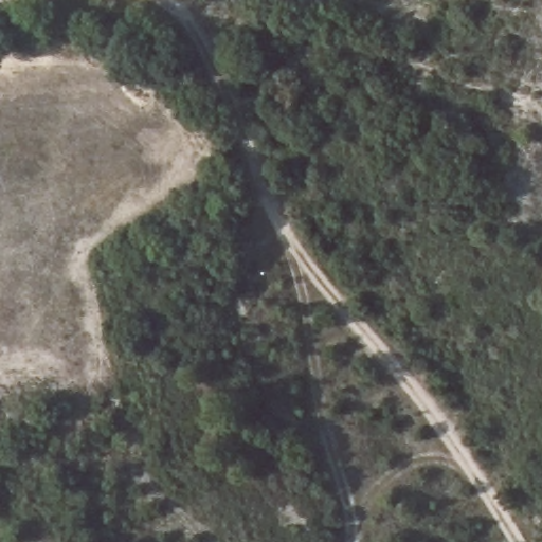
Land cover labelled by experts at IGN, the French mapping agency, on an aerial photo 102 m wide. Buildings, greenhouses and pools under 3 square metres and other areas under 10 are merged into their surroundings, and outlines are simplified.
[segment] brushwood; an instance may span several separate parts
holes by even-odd
[[[144,474],[144,464],[138,459],[123,462],[114,470],[114,487],[102,489],[102,521],[140,540],[155,536],[155,521],[167,517],[174,508],[178,508],[171,500],[163,495],[157,483],[150,483],[150,474]]]
[[[387,472],[387,462],[392,453],[396,453],[398,449],[404,451],[407,447],[404,432],[396,432],[390,421],[371,419],[373,411],[377,409],[373,404],[366,404],[360,413],[335,413],[337,402],[360,400],[371,390],[381,387],[373,373],[368,373],[366,366],[354,356],[347,368],[337,366],[335,345],[315,351],[315,343],[324,328],[349,324],[349,322],[343,303],[328,303],[322,299],[301,303],[292,286],[292,275],[288,273],[286,277],[282,277],[282,290],[277,290],[267,301],[269,307],[275,305],[282,309],[279,320],[269,320],[267,324],[248,324],[241,318],[241,330],[231,337],[231,343],[237,345],[239,341],[243,341],[254,349],[256,356],[265,358],[267,362],[279,364],[279,373],[284,379],[294,373],[309,373],[309,356],[322,358],[322,377],[318,377],[318,383],[322,387],[320,415],[330,423],[341,426],[343,432],[349,436],[351,466],[362,470],[364,481],[377,478],[379,474]]]
[[[288,455],[277,464],[279,468],[267,478],[250,476],[246,485],[239,487],[227,483],[222,491],[210,491],[207,495],[201,495],[186,510],[193,514],[195,521],[203,523],[203,531],[214,534],[216,542],[332,542],[335,500],[318,483],[301,478],[301,470],[307,470],[311,466],[305,459],[296,462]],[[294,506],[296,512],[305,517],[305,523],[292,523],[286,527],[279,525],[279,510],[286,506]]]
[[[354,519],[354,534],[360,534],[362,542],[508,542],[495,519],[489,514],[487,506],[483,504],[476,487],[459,470],[442,466],[419,468],[423,483],[417,489],[409,485],[398,485],[392,489],[390,502],[383,510],[375,506],[366,510],[366,519]]]
[[[498,495],[500,504],[512,512],[517,512],[519,517],[542,519],[542,500],[527,498],[527,493],[521,487],[504,489]]]
[[[150,260],[159,267],[167,267],[171,258],[169,239],[161,239],[159,235],[169,224],[178,229],[182,220],[186,220],[191,191],[184,184],[171,188],[169,195],[163,201],[159,201],[152,210],[119,227],[110,237],[100,241],[87,258],[102,311],[104,345],[110,358],[110,373],[104,381],[112,390],[112,404],[121,407],[121,394],[129,394],[129,402],[138,402],[138,396],[144,392],[146,398],[152,398],[155,379],[150,377],[150,373],[165,371],[165,366],[152,351],[148,356],[140,356],[133,351],[133,343],[127,339],[127,318],[110,313],[116,311],[114,303],[125,296],[127,282],[136,286],[144,279],[136,275],[140,263]]]
[[[42,428],[53,436],[66,436],[74,432],[76,419],[89,415],[89,394],[95,394],[102,383],[91,383],[85,390],[51,390],[44,396],[44,400],[36,398],[28,407],[21,407],[19,417],[15,421]]]
[[[15,542],[53,542],[38,519],[28,519],[19,527]]]
[[[436,47],[426,59],[438,64],[438,68],[430,76],[423,76],[421,70],[415,70],[411,64],[394,64],[375,57],[373,68],[377,70],[377,78],[381,80],[381,87],[390,97],[398,95],[409,100],[417,110],[428,110],[430,114],[438,112],[440,119],[445,119],[447,125],[457,133],[478,138],[474,142],[470,163],[470,174],[474,176],[472,182],[478,186],[478,210],[472,212],[466,205],[451,205],[449,199],[445,199],[449,180],[445,184],[438,184],[430,176],[417,171],[411,163],[404,167],[402,174],[392,174],[392,165],[385,163],[385,152],[375,152],[373,144],[364,140],[360,133],[356,142],[347,142],[345,138],[337,138],[332,133],[332,140],[324,150],[330,165],[343,167],[343,174],[335,178],[330,193],[332,197],[341,199],[341,205],[337,229],[328,231],[328,235],[320,241],[320,250],[324,254],[335,252],[339,258],[345,256],[351,263],[362,265],[364,271],[360,273],[358,282],[368,282],[362,292],[379,294],[385,307],[385,313],[368,324],[387,343],[387,351],[400,354],[404,371],[409,375],[423,375],[426,366],[411,356],[413,345],[409,345],[402,337],[402,318],[409,315],[421,328],[423,337],[434,339],[434,343],[445,351],[445,358],[453,358],[453,349],[459,349],[462,381],[464,390],[470,396],[468,409],[472,413],[478,413],[478,423],[474,432],[483,432],[491,440],[502,440],[510,457],[521,462],[527,457],[542,472],[542,315],[527,307],[527,294],[536,290],[536,286],[542,282],[542,220],[517,224],[510,222],[510,214],[506,210],[502,210],[502,205],[506,203],[506,193],[498,191],[498,186],[506,180],[508,174],[504,165],[508,163],[508,159],[514,159],[519,155],[514,140],[510,138],[514,123],[512,104],[506,110],[498,110],[491,102],[489,91],[466,89],[468,80],[485,76],[489,59],[500,64],[508,59],[508,40],[504,44],[495,44],[500,28],[504,28],[504,19],[498,11],[491,8],[491,0],[432,0],[438,6],[432,17],[440,21],[440,34],[436,38]]]
[[[17,472],[8,466],[17,457],[17,453],[11,449],[8,438],[8,428],[13,421],[4,417],[0,402],[0,519],[6,519],[11,512],[11,493],[6,485],[11,478],[17,476]]]

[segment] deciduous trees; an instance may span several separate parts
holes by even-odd
[[[171,258],[167,267],[159,267],[150,260],[140,263],[136,275],[144,279],[136,286],[127,282],[125,296],[114,303],[116,311],[110,313],[127,318],[127,339],[133,343],[133,351],[140,356],[148,356],[152,351],[165,366],[165,371],[150,373],[150,377],[155,379],[152,398],[146,398],[144,392],[138,396],[138,402],[129,402],[129,394],[121,394],[121,407],[112,404],[112,390],[104,381],[102,383],[95,394],[89,394],[89,415],[76,419],[74,432],[66,436],[53,436],[42,428],[15,421],[13,421],[8,428],[8,438],[11,449],[17,453],[17,457],[8,466],[17,472],[17,476],[11,478],[6,485],[11,493],[11,512],[6,519],[0,519],[0,542],[15,542],[19,527],[28,519],[38,519],[53,542],[89,542],[87,531],[80,525],[74,525],[74,521],[80,521],[85,514],[85,493],[59,487],[53,457],[57,451],[64,451],[68,459],[74,459],[78,464],[78,468],[85,468],[93,462],[104,464],[102,489],[114,487],[114,470],[123,462],[138,459],[144,464],[144,474],[150,474],[150,483],[157,483],[163,495],[171,500],[178,508],[186,510],[201,495],[207,495],[210,491],[222,491],[227,483],[239,487],[246,485],[250,476],[267,478],[279,468],[277,464],[288,455],[296,462],[305,459],[307,449],[299,442],[299,438],[279,436],[279,440],[271,440],[267,430],[250,430],[258,415],[254,413],[252,404],[233,394],[235,387],[248,383],[250,371],[243,360],[235,362],[233,375],[229,379],[214,381],[212,385],[193,379],[199,362],[214,360],[214,351],[207,345],[207,339],[212,337],[212,324],[218,315],[216,311],[205,309],[205,303],[214,301],[224,305],[235,282],[233,271],[237,260],[233,254],[233,239],[224,227],[229,222],[237,222],[250,205],[258,205],[260,197],[267,191],[279,197],[279,201],[284,203],[286,224],[294,229],[296,237],[309,250],[309,254],[324,271],[324,275],[345,294],[343,303],[349,322],[368,324],[385,313],[385,307],[379,294],[362,292],[368,282],[358,282],[360,273],[364,271],[362,265],[351,263],[345,256],[339,258],[335,252],[324,254],[320,250],[320,241],[328,235],[328,231],[337,229],[341,205],[341,199],[332,197],[330,193],[335,178],[343,174],[343,167],[330,165],[324,150],[332,140],[332,133],[337,138],[345,138],[347,142],[356,142],[360,133],[364,140],[373,144],[375,152],[385,152],[385,163],[392,165],[392,174],[402,174],[404,167],[411,163],[417,171],[430,176],[438,184],[445,184],[449,180],[445,199],[449,199],[451,205],[466,205],[472,212],[478,210],[478,186],[472,182],[474,176],[470,174],[470,163],[474,142],[478,138],[457,133],[447,125],[445,119],[440,119],[438,112],[430,114],[428,110],[417,110],[409,100],[398,95],[390,97],[381,87],[381,80],[377,78],[377,70],[373,68],[375,57],[394,64],[411,64],[413,59],[426,59],[436,47],[436,38],[440,34],[440,21],[432,17],[423,21],[415,19],[413,13],[407,13],[402,8],[390,8],[390,0],[260,0],[254,11],[256,28],[237,25],[233,30],[227,30],[224,34],[218,34],[212,40],[212,59],[199,68],[199,61],[191,53],[191,47],[182,30],[174,23],[169,15],[163,15],[155,6],[155,0],[0,0],[0,64],[8,55],[15,55],[19,59],[42,55],[91,57],[102,61],[102,66],[108,70],[108,80],[125,85],[129,89],[133,89],[136,85],[155,89],[155,97],[163,100],[165,106],[171,108],[174,116],[182,123],[186,131],[205,133],[205,138],[212,144],[212,155],[199,161],[195,180],[184,184],[191,191],[186,220],[182,220],[178,229],[169,224],[159,235],[161,239],[169,239]]]
[[[485,470],[498,495],[504,489],[521,487],[527,493],[527,498],[542,500],[542,472],[527,457],[521,462],[510,457],[502,440],[491,440],[483,432],[474,432],[478,423],[478,413],[472,413],[468,409],[470,396],[464,390],[462,381],[459,349],[453,349],[453,358],[445,358],[445,351],[434,343],[434,339],[423,337],[421,328],[409,315],[402,318],[402,337],[409,345],[413,345],[411,356],[426,366],[423,375],[423,387],[436,398],[445,413],[453,417],[462,442],[470,449],[476,464]]]
[[[542,282],[536,286],[536,290],[527,294],[527,307],[542,315]]]

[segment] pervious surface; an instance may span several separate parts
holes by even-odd
[[[218,19],[207,17],[195,0],[155,0],[155,6],[163,15],[169,15],[174,23],[182,30],[191,47],[191,53],[199,61],[199,68],[212,59],[212,40],[218,34]]]
[[[294,229],[286,224],[284,203],[279,201],[279,197],[267,191],[260,197],[258,205],[263,205],[271,224],[282,233],[282,237],[288,243],[290,258],[299,265],[301,273],[311,279],[322,299],[328,303],[343,303],[345,294],[324,275],[324,271],[309,254],[309,250],[296,237]]]
[[[413,404],[419,411],[423,411],[428,423],[436,430],[438,436],[442,436],[442,442],[451,451],[451,457],[457,462],[459,470],[476,487],[483,504],[487,506],[489,514],[495,519],[508,542],[527,542],[512,519],[512,512],[500,504],[498,495],[485,470],[476,464],[470,449],[462,442],[453,417],[445,413],[436,398],[423,387],[423,375],[409,375],[404,371],[400,354],[387,351],[387,343],[368,324],[349,322],[349,324],[349,330],[364,343],[366,351],[375,354],[385,364],[390,375],[394,375],[396,381],[402,385],[402,392],[413,400]]]

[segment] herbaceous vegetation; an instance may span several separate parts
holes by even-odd
[[[508,174],[506,180],[498,186],[498,191],[506,193],[506,203],[502,205],[502,210],[506,210],[510,214],[510,222],[517,224],[542,220],[542,0],[491,0],[491,8],[498,11],[504,19],[504,28],[500,28],[495,44],[504,44],[508,40],[508,59],[500,64],[489,59],[485,76],[468,80],[466,89],[489,91],[491,102],[498,110],[506,110],[512,104],[514,123],[510,138],[514,140],[519,155],[514,159],[508,159],[508,163],[504,165]]]
[[[512,512],[512,519],[527,542],[542,542],[542,519],[519,517],[517,512]]]
[[[57,451],[53,457],[59,487],[85,493],[85,514],[80,521],[74,521],[74,525],[80,525],[87,531],[89,542],[216,542],[214,534],[203,531],[203,523],[195,521],[193,514],[186,510],[178,508],[174,508],[167,517],[155,521],[155,536],[140,540],[102,521],[102,489],[104,464],[93,462],[85,468],[78,468],[78,464],[74,459],[68,459],[64,451]]]
[[[390,0],[390,8],[402,8],[407,13],[413,13],[415,19],[423,21],[432,17],[438,6],[432,0]]]
[[[347,368],[354,356],[366,366],[368,373],[373,373],[381,387],[371,390],[360,400],[337,402],[335,413],[360,413],[366,404],[373,404],[377,409],[373,411],[371,419],[390,421],[396,432],[404,432],[407,447],[404,451],[398,449],[396,453],[392,453],[387,462],[387,472],[379,474],[377,478],[364,481],[362,470],[351,466],[349,436],[343,432],[341,426],[330,423],[320,415],[322,387],[318,383],[318,377],[322,377],[322,358],[309,356],[309,373],[294,373],[284,379],[279,373],[279,364],[267,362],[265,358],[256,356],[254,349],[243,341],[239,341],[237,345],[231,343],[231,337],[241,330],[241,318],[248,324],[267,324],[269,320],[279,320],[282,309],[275,305],[269,307],[267,301],[277,290],[282,290],[282,277],[286,277],[288,273],[292,275],[292,286],[301,303],[322,299],[311,279],[301,273],[299,265],[290,258],[288,243],[282,237],[282,233],[271,224],[263,205],[258,205],[250,205],[237,222],[229,222],[224,227],[233,239],[233,254],[237,260],[233,271],[235,282],[224,305],[214,301],[205,303],[205,309],[216,311],[218,315],[212,324],[212,337],[207,339],[207,345],[214,351],[214,360],[199,362],[193,379],[212,385],[214,381],[229,379],[233,375],[235,362],[243,360],[250,371],[248,383],[235,387],[233,394],[252,404],[254,413],[258,415],[250,430],[267,430],[271,440],[279,440],[279,436],[299,438],[299,442],[307,449],[305,459],[311,466],[307,470],[301,470],[301,478],[318,483],[335,500],[332,542],[362,542],[360,534],[354,534],[354,519],[366,519],[366,510],[375,506],[383,510],[390,502],[392,489],[398,485],[409,485],[417,489],[423,483],[419,468],[442,466],[459,470],[457,462],[451,457],[451,451],[442,442],[442,436],[438,436],[436,430],[428,423],[423,411],[419,411],[413,404],[413,400],[402,392],[402,385],[396,381],[394,375],[390,375],[385,364],[375,354],[366,351],[364,343],[349,330],[349,324],[324,328],[315,343],[315,351],[335,345],[337,366]]]
[[[411,64],[415,70],[421,70],[423,76],[430,76],[438,68],[438,64],[426,59],[413,59]]]
[[[104,345],[102,311],[87,258],[100,241],[110,237],[119,227],[152,210],[159,201],[163,201],[169,195],[171,188],[184,184],[195,180],[199,161],[212,155],[212,144],[205,138],[205,133],[186,131],[182,123],[174,116],[171,108],[165,106],[163,100],[155,97],[155,89],[136,85],[133,89],[129,89],[125,85],[108,80],[108,70],[102,66],[102,61],[91,57],[42,55],[19,59],[15,55],[8,55],[0,64],[0,402],[4,417],[13,421],[15,421],[19,417],[21,407],[28,407],[36,398],[44,400],[44,396],[51,390],[85,390],[91,383],[102,383],[104,381],[110,373],[110,358]]]
[[[305,523],[305,517],[296,512],[294,506],[286,506],[279,510],[279,525],[286,527],[292,523]]]
[[[224,34],[227,30],[233,30],[237,25],[256,28],[254,11],[260,0],[195,0],[207,17],[218,19],[218,34]]]

